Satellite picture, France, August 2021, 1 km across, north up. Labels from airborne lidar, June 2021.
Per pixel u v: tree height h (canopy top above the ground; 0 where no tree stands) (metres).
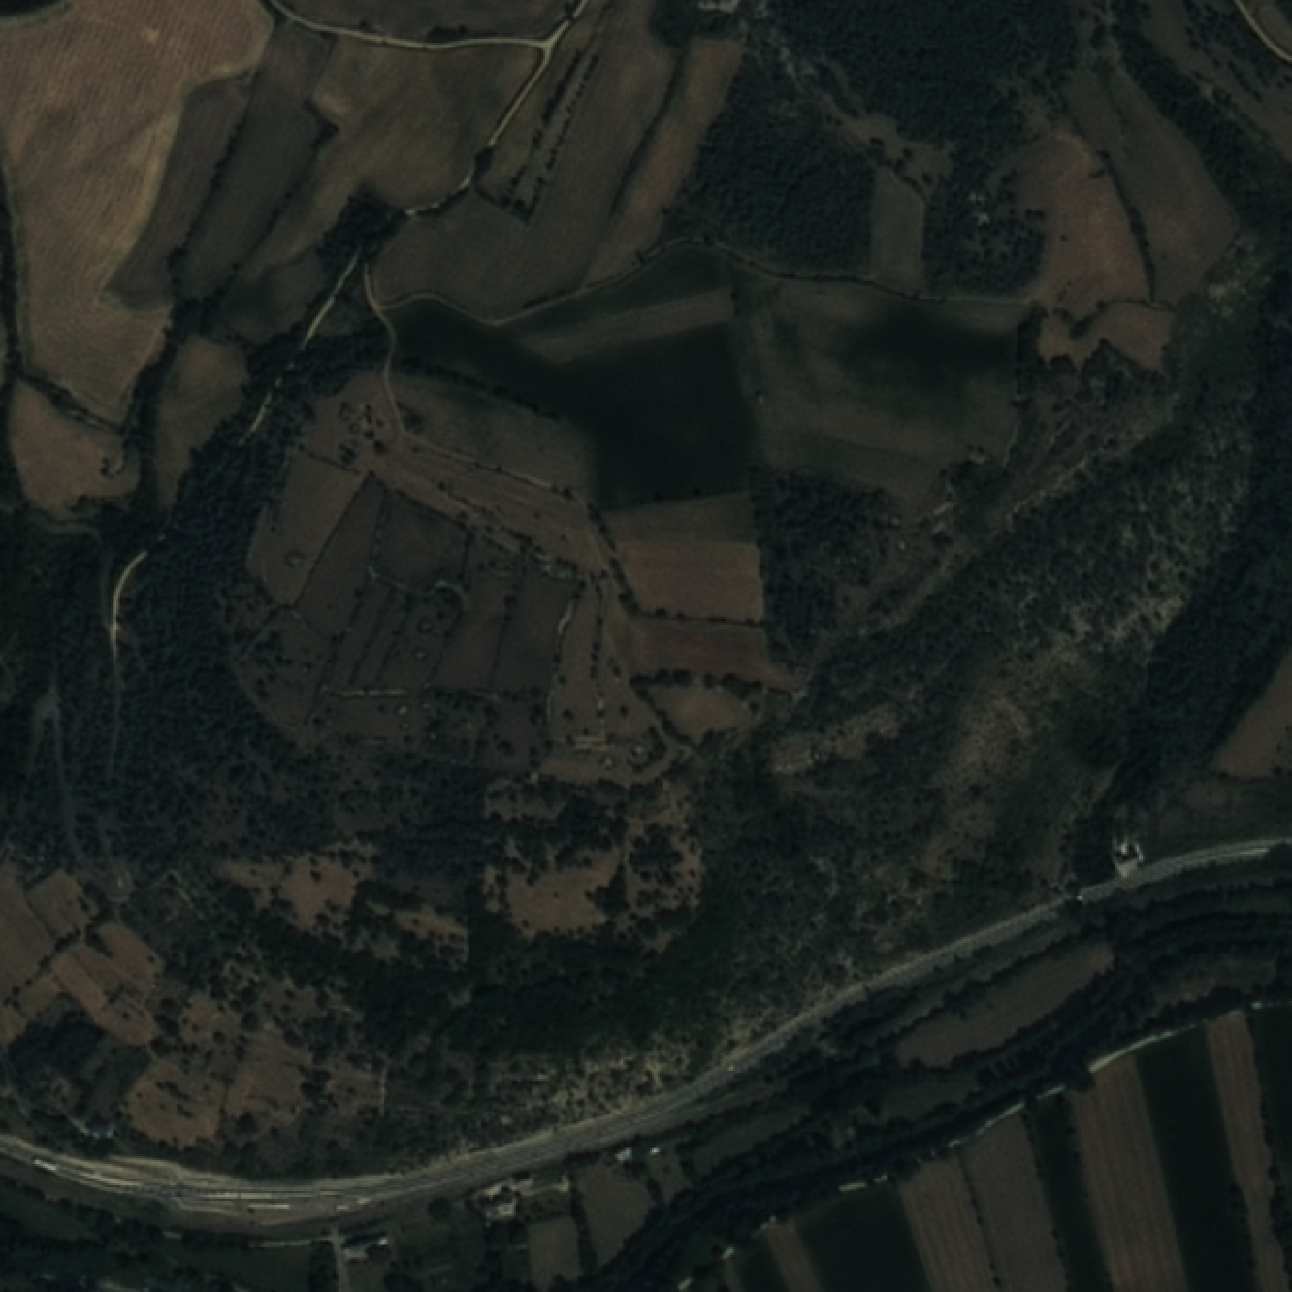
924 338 0
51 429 0
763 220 7
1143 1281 0
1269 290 8
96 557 9
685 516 0
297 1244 0
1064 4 9
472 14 0
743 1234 23
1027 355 13
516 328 0
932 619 10
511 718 0
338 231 8
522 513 0
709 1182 9
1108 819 9
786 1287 0
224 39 0
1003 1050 6
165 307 0
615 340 0
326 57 0
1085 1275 0
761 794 9
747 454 0
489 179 0
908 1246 0
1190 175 0
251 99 0
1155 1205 0
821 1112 17
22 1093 9
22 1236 9
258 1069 0
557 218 0
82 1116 14
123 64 0
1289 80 9
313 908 0
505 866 7
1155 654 14
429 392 0
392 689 0
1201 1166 0
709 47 0
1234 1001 17
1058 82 7
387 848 7
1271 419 8
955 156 7
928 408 0
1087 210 0
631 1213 0
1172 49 0
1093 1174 0
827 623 6
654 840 9
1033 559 7
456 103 0
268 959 7
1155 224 0
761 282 0
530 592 0
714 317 0
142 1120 0
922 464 0
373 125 0
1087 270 0
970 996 15
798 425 0
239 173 0
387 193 0
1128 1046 17
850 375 0
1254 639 14
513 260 0
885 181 0
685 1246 9
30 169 0
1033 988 0
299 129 0
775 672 0
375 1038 7
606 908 8
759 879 12
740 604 0
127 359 0
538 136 7
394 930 8
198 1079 0
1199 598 13
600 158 0
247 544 8
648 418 0
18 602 10
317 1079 9
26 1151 0
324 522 0
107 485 0
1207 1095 0
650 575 0
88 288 0
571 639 0
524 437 0
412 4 0
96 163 0
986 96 9
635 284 0
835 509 7
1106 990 13
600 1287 15
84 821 8
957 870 8
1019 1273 0
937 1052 0
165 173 0
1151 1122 0
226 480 13
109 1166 0
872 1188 10
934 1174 0
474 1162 0
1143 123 0
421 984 8
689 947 12
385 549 0
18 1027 0
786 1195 15
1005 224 8
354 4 0
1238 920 9
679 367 0
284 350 13
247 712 7
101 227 0
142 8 0
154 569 11
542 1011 15
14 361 8
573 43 0
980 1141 0
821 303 0
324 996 7
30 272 0
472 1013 9
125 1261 12
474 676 0
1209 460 8
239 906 9
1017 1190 0
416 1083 6
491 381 0
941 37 12
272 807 6
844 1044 10
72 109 0
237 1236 6
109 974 0
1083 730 11
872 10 10
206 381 0
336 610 0
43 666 15
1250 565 6
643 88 0
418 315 0
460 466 0
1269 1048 0
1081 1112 0
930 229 8
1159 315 0
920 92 11
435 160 0
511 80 0
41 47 0
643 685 7
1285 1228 14
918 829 9
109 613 0
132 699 7
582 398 0
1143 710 8
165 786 8
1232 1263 0
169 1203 0
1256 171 11
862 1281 0
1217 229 0
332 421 0
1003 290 6
